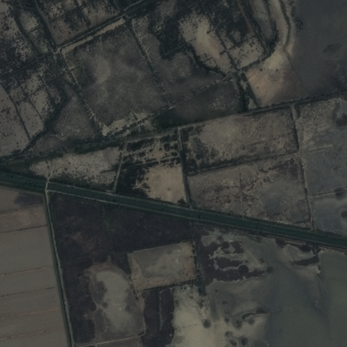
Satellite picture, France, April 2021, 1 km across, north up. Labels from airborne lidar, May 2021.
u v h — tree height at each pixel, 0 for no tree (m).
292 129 0
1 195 0
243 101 0
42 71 0
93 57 0
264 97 0
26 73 0
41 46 0
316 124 0
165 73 0
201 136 0
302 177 0
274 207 0
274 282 0
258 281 0
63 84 0
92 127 0
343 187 0
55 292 0
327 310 0
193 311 0
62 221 0
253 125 0
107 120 0
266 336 0
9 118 0
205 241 0
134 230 0
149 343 0
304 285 0
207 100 0
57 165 0
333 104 0
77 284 0
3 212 0
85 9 0
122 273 0
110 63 0
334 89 0
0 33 0
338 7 0
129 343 0
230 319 0
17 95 0
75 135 0
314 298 0
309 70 0
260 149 0
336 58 0
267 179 0
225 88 0
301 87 0
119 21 0
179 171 0
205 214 0
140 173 0
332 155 0
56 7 0
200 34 0
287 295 0
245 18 0
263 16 0
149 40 0
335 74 0
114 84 0
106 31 0
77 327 0
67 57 0
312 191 0
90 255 0
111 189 0
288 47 0
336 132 0
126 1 0
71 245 0
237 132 0
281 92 0
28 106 0
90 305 0
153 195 0
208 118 0
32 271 0
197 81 0
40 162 0
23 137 0
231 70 0
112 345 0
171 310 0
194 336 0
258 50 0
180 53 0
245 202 0
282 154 0
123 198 0
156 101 0
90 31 0
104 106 0
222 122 0
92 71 0
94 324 0
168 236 0
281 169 0
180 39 0
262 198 0
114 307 0
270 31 0
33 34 0
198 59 0
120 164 0
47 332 0
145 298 0
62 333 0
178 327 0
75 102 0
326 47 0
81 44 0
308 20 0
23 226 0
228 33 0
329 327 0
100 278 0
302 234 0
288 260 0
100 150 0
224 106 0
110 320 0
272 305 0
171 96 0
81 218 0
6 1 0
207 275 0
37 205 0
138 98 0
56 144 0
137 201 0
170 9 0
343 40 0
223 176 0
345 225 0
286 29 0
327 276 0
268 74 0
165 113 0
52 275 0
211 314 0
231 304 0
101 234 0
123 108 0
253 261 0
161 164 0
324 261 0
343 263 0
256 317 0
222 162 0
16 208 0
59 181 7
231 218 0
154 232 0
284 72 0
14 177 8
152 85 0
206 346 0
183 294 0
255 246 0
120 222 0
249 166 0
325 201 0
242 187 0
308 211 0
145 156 0
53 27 0
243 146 0
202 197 0
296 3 0
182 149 0
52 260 0
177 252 0
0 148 0
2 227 0
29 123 0
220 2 0
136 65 0
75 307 0
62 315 0
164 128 6
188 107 0
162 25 5
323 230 0
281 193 0
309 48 0
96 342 0
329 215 0
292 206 0
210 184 0
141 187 0
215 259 0
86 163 0
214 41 0
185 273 0
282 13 0
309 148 0
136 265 0
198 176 0
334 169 0
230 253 0
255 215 0
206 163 0
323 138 0
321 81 0
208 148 0
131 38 0
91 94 0
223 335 0
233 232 0
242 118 0
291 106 0
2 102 0
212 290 0
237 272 0
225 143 0
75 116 0
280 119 0
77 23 0
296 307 0
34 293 0
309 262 0
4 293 0
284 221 0
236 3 0
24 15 0
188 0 0
